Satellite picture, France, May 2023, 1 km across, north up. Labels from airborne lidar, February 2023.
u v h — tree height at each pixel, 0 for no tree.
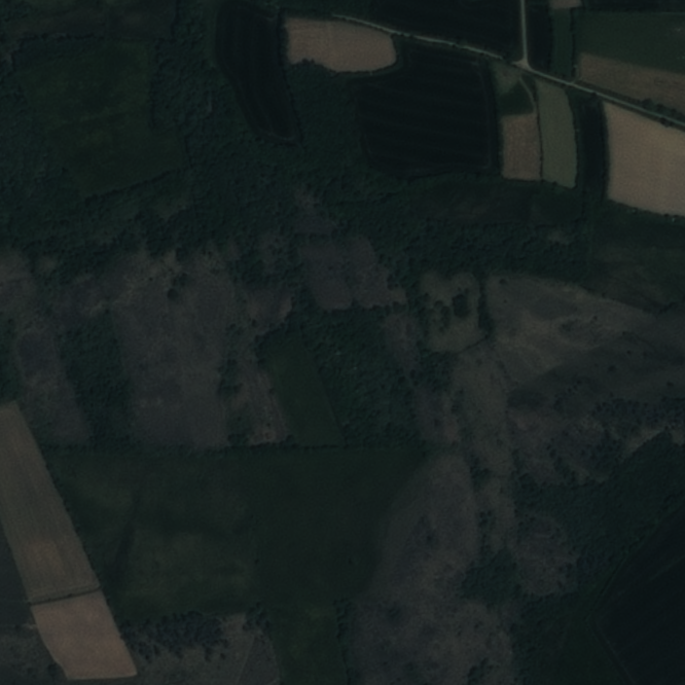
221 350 0
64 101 0
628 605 0
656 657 0
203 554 0
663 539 0
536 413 0
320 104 17
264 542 0
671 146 0
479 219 0
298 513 0
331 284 0
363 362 9
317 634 0
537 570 0
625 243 0
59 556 0
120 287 0
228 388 6
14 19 14
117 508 0
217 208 13
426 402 0
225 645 9
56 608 0
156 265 0
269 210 7
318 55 0
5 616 0
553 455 8
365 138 0
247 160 12
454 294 0
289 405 0
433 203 0
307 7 15
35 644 0
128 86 0
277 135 0
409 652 0
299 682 0
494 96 7
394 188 12
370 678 0
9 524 0
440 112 0
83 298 0
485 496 0
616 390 0
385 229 7
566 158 0
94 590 0
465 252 15
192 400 0
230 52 0
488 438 0
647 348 0
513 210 0
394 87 0
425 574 0
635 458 10
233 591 0
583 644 0
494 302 0
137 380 0
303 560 0
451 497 0
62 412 0
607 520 8
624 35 0
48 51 15
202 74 16
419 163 0
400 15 0
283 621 0
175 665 0
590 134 0
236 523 0
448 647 0
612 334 0
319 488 0
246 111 0
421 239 11
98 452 9
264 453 14
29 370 0
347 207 14
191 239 11
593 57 0
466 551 0
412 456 0
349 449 7
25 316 0
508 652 0
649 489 9
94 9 0
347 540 0
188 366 0
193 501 0
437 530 0
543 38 0
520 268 12
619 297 0
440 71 0
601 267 0
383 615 0
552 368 0
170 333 0
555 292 0
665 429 6
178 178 12
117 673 0
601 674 0
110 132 0
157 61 9
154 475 0
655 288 0
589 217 7
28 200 15
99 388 9
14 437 0
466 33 0
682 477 9
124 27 0
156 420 0
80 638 0
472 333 0
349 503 0
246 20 0
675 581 0
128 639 17
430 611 0
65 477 0
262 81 0
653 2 0
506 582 9
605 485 7
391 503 0
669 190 0
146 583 0
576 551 6
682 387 0
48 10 0
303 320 9
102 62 0
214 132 17
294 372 0
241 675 0
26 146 16
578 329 0
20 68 16
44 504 0
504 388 0
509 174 0
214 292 0
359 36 0
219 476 0
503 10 0
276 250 8
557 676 0
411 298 9
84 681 0
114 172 0
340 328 8
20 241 13
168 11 0
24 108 18
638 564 0
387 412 8
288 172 9
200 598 0
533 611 12
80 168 0
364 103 0
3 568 0
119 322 0
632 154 0
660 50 0
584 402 0
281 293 0
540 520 0
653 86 0
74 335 6
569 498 6
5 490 0
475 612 0
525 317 0
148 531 0
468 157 0
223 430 0
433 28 0
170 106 10
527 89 0
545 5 6
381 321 12
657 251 0
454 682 0
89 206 15
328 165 18
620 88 0
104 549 0
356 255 0
